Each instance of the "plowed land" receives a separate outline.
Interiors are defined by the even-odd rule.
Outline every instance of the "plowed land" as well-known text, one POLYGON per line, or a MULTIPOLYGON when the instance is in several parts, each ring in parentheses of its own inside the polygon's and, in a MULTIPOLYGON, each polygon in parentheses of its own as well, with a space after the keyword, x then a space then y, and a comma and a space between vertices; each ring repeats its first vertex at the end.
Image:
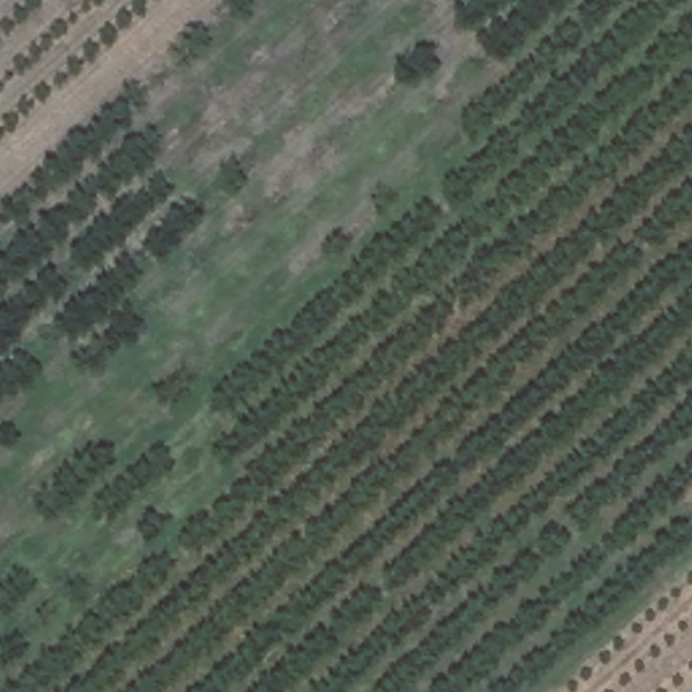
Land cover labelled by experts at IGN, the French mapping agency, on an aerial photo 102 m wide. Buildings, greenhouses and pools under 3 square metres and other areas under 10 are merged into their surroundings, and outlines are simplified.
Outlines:
POLYGON ((132 19, 130 27, 119 32, 116 41, 105 46, 95 62, 84 65, 76 78, 70 78, 65 87, 59 87, 46 100, 32 105, 32 111, 24 119, 19 119, 16 130, 0 138, 0 197, 22 187, 30 178, 30 173, 43 162, 43 154, 65 138, 70 127, 87 124, 103 103, 114 100, 122 92, 124 81, 141 84, 149 73, 157 73, 162 68, 162 57, 170 51, 170 43, 184 32, 189 22, 219 22, 214 8, 222 0, 143 0, 143 16, 132 19))
POLYGON ((670 603, 649 624, 643 624, 641 633, 622 627, 624 646, 608 662, 587 657, 592 673, 589 678, 578 681, 573 692, 692 692, 692 584, 681 589, 676 603, 670 603))
POLYGON ((30 97, 38 84, 49 84, 54 73, 65 70, 68 57, 84 54, 84 43, 100 38, 103 24, 111 24, 122 8, 132 5, 132 0, 43 0, 41 8, 32 11, 24 24, 14 27, 0 41, 0 73, 14 65, 16 54, 27 54, 30 43, 35 43, 51 27, 54 19, 62 19, 68 14, 78 16, 65 35, 51 41, 51 49, 41 57, 38 65, 14 76, 0 89, 0 119, 22 97, 30 97))

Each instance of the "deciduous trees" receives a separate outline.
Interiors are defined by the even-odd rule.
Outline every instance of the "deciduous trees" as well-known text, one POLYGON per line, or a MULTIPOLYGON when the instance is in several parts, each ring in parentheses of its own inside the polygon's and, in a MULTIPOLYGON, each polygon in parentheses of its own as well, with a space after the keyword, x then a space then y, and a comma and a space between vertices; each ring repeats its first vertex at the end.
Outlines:
POLYGON ((0 0, 0 41, 14 27, 24 24, 32 11, 41 8, 43 0, 0 0))
POLYGON ((84 54, 68 57, 65 70, 54 73, 49 84, 38 84, 30 97, 22 97, 0 119, 0 138, 16 130, 19 119, 24 119, 32 111, 32 105, 46 100, 59 87, 65 87, 70 78, 76 78, 84 65, 95 62, 105 46, 116 41, 119 32, 130 27, 132 19, 143 16, 143 0, 132 0, 132 5, 122 8, 111 24, 103 24, 100 38, 84 43, 84 54))
POLYGON ((0 197, 0 692, 573 692, 578 681, 589 678, 592 673, 587 657, 608 662, 624 646, 622 627, 641 633, 643 624, 649 624, 670 603, 676 603, 681 589, 692 584, 692 0, 222 0, 214 8, 219 22, 189 22, 184 32, 170 43, 170 51, 162 57, 162 68, 157 73, 149 73, 141 84, 124 81, 122 92, 114 100, 103 103, 87 124, 70 127, 65 138, 43 154, 43 162, 30 173, 30 178, 22 187, 0 197))
POLYGON ((14 65, 0 73, 0 89, 14 76, 38 65, 41 57, 51 49, 51 41, 65 35, 78 16, 68 14, 62 19, 54 19, 51 27, 35 43, 30 43, 27 54, 16 54, 14 65))

